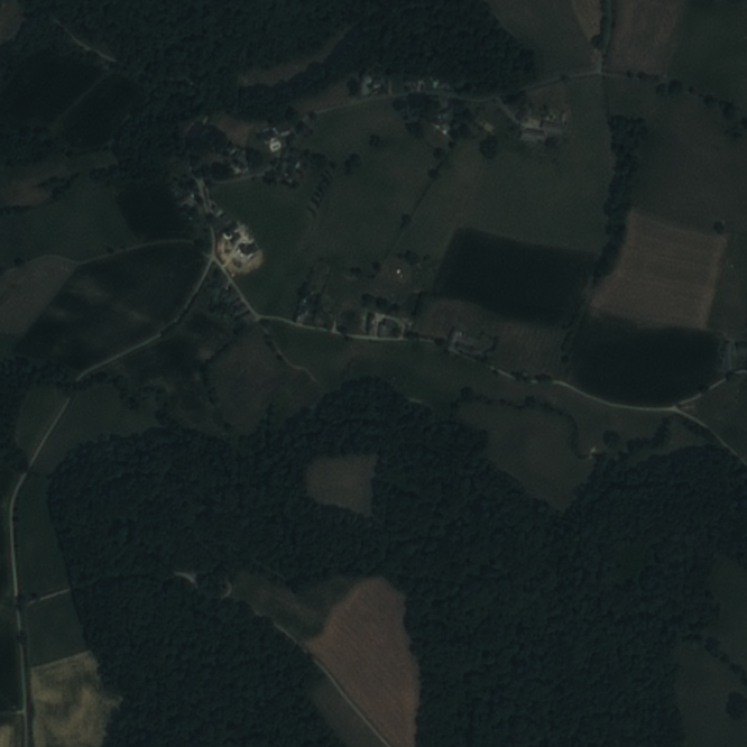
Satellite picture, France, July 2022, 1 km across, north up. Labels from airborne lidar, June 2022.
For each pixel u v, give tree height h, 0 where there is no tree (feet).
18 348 0
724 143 0
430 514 83
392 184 0
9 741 0
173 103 51
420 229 0
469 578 43
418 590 64
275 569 75
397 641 0
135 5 77
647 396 0
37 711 0
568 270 0
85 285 0
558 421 0
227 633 79
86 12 87
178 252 0
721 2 0
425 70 59
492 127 0
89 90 0
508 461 0
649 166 0
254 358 0
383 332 0
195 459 83
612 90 0
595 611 96
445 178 0
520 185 0
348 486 0
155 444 61
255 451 25
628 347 0
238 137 0
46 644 0
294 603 0
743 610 0
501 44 80
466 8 93
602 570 66
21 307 0
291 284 0
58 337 0
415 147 0
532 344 0
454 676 89
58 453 0
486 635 83
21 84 0
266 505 21
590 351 0
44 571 0
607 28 32
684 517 83
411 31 38
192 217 26
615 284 0
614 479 28
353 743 0
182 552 77
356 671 0
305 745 83
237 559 70
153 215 0
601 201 0
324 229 0
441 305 0
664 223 0
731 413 0
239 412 0
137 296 0
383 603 0
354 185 0
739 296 0
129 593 80
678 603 91
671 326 0
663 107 0
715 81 0
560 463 0
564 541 106
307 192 0
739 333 0
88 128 0
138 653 79
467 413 0
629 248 0
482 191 0
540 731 66
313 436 65
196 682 92
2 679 0
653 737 79
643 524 78
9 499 0
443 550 100
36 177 0
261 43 76
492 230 0
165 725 67
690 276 0
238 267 0
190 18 77
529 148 0
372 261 0
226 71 80
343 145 0
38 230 0
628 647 104
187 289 0
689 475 91
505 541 76
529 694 65
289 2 94
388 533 50
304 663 61
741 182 0
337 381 0
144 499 29
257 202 0
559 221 0
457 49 80
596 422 0
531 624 81
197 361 0
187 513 76
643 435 0
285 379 0
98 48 0
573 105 0
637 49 0
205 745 88
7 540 0
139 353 0
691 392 0
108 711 0
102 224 0
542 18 0
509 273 0
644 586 54
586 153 0
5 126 25
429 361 0
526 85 0
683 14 0
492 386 0
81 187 0
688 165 0
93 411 0
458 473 84
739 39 0
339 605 0
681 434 0
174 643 58
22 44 30
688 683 0
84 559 100
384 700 0
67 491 77
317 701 0
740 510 104
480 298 0
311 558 81
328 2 77
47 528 0
